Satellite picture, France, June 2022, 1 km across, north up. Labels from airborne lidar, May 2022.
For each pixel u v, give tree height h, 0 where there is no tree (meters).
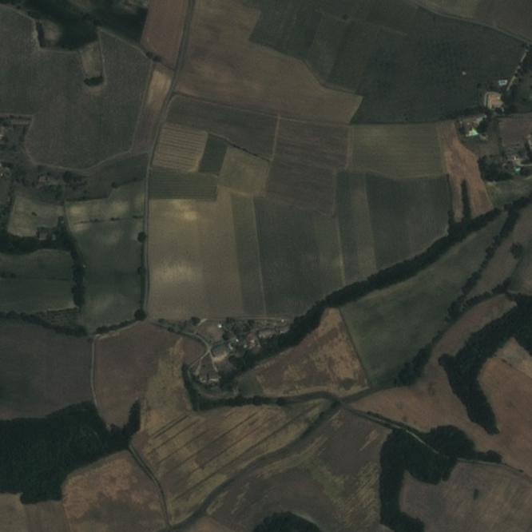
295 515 10
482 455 13
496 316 0
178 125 0
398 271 15
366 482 0
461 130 6
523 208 9
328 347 0
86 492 0
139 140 0
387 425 9
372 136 0
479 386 12
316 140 0
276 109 0
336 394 0
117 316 0
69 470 10
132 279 0
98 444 11
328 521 0
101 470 0
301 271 0
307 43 0
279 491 0
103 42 0
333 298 16
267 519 12
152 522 0
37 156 0
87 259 0
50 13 0
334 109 0
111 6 0
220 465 0
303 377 0
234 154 0
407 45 0
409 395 0
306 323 17
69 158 0
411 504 0
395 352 0
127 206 0
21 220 0
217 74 0
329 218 0
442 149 0
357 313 0
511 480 0
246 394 0
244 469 0
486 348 24
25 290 0
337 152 0
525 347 11
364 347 0
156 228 0
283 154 0
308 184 0
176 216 0
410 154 0
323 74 0
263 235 0
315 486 0
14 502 0
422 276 0
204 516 0
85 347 0
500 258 0
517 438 0
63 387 0
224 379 7
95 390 0
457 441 25
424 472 11
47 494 15
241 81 0
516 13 0
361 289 17
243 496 0
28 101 0
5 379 0
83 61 0
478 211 0
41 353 0
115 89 0
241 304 0
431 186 0
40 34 10
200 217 0
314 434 0
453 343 0
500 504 0
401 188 0
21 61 0
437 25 6
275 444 0
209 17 0
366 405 0
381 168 0
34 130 0
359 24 0
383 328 0
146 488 0
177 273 0
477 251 0
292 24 0
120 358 0
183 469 0
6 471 13
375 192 0
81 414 13
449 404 0
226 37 0
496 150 0
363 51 0
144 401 0
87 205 0
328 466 0
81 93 0
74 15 0
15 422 11
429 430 0
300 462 0
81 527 0
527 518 0
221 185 0
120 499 0
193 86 0
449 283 0
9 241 20
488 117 12
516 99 15
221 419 0
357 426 0
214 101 0
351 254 0
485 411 20
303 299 0
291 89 0
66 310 7
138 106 0
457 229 14
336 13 0
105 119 0
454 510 0
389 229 0
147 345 0
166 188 0
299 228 0
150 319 0
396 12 0
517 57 0
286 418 0
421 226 0
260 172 0
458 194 0
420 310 0
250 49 0
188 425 0
